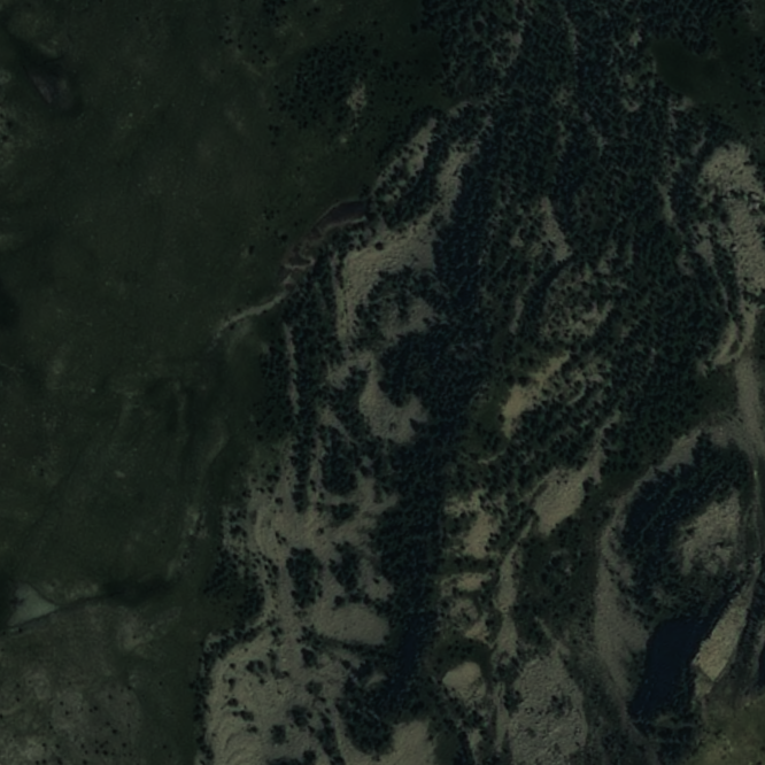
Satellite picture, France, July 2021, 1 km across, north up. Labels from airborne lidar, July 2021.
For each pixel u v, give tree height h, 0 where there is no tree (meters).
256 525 0
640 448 19
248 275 0
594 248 15
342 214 0
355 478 17
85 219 0
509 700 11
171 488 0
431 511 11
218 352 0
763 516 0
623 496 0
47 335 0
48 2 0
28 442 0
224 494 0
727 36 0
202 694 8
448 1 14
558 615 10
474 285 15
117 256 0
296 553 14
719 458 12
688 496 15
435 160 14
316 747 0
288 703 0
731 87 0
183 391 0
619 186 17
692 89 0
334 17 0
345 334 0
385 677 0
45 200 0
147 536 0
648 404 16
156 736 0
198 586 0
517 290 15
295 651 0
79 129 0
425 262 0
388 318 0
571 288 12
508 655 0
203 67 0
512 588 0
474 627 0
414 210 8
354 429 10
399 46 0
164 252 0
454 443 8
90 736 0
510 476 17
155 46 0
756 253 0
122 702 0
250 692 0
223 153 0
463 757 14
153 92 0
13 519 0
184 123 0
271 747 0
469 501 0
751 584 0
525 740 0
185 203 0
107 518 0
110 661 0
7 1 0
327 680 0
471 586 0
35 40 0
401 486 13
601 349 16
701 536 0
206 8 0
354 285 0
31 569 0
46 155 0
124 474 0
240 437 0
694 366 18
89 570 0
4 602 0
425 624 18
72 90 0
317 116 9
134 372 0
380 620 0
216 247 0
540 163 12
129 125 0
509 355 17
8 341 0
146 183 0
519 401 0
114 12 0
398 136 8
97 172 0
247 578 6
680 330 19
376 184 0
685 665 8
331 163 0
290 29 0
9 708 0
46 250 0
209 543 0
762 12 0
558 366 0
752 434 0
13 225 0
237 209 0
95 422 0
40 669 0
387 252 0
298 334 16
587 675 0
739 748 0
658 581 7
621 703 0
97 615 0
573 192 12
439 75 9
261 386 0
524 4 17
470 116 16
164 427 0
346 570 7
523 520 7
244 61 0
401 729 0
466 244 15
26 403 0
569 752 0
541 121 11
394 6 0
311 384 19
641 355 16
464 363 15
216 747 0
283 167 0
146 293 0
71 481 0
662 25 19
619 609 0
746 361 0
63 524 0
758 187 0
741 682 0
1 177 0
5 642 0
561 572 7
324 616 0
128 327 0
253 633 7
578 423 20
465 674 0
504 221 11
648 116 21
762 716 0
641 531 19
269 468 0
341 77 11
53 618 0
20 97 0
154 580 0
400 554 12
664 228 19
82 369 0
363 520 0
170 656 0
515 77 27
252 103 0
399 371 7
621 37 21
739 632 0
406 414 0
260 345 0
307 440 11
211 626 0
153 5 0
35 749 0
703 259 14
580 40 10
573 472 0
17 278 0
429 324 12
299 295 10
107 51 0
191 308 0
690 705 10
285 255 0
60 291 0
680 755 6
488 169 13
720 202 22
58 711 0
